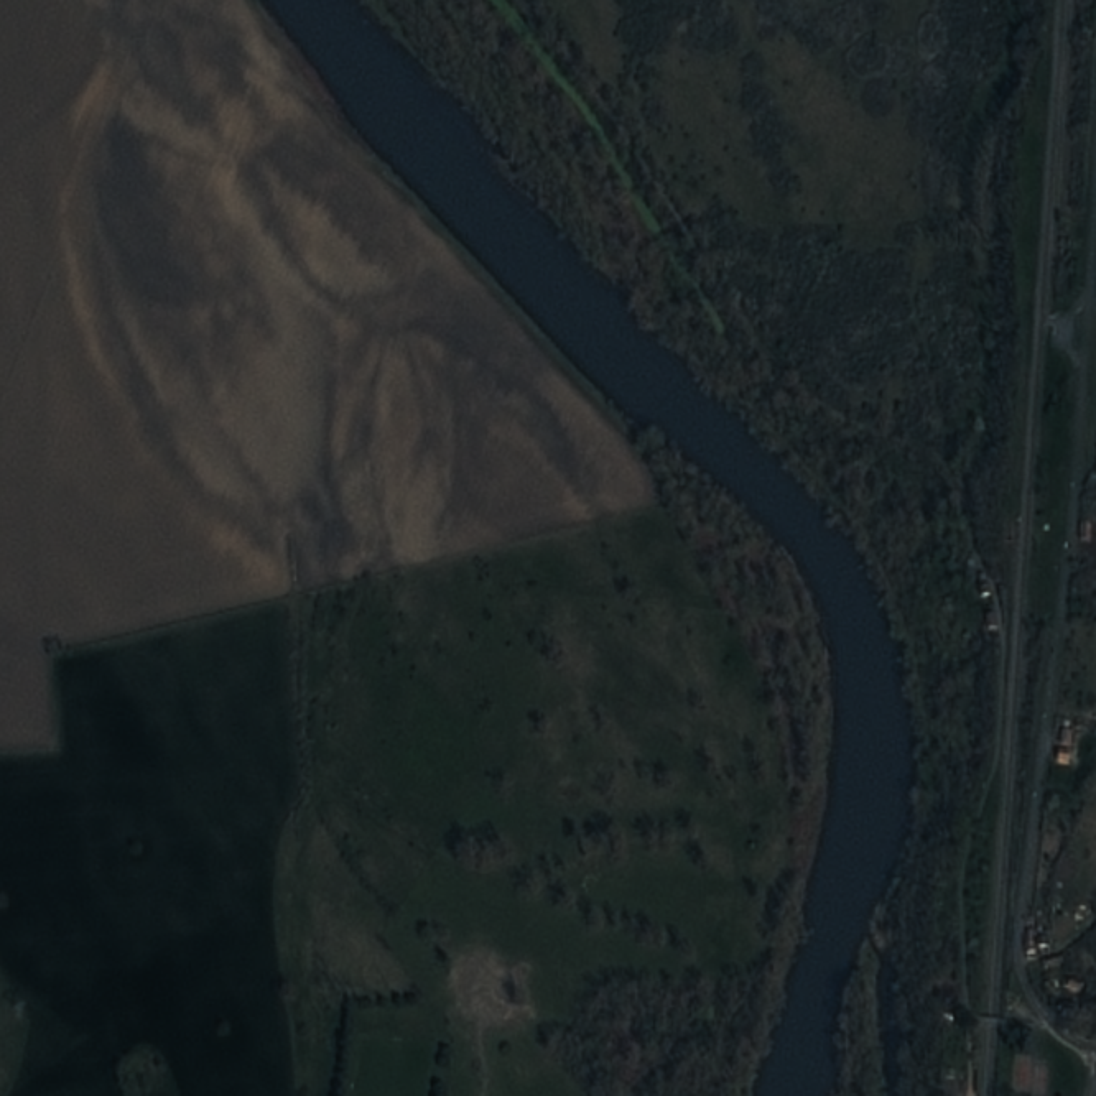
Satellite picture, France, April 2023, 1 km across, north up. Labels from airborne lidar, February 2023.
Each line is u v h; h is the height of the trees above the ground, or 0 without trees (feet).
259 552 0
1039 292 0
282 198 0
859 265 19
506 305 0
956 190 0
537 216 0
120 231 0
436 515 0
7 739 0
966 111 18
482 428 0
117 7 0
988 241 111
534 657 0
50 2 0
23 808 0
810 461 51
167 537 0
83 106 0
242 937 0
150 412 0
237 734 0
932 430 28
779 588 94
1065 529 0
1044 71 0
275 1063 0
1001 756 0
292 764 0
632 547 0
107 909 0
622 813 0
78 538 0
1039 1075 0
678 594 0
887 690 0
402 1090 0
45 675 0
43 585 0
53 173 0
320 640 0
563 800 0
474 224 0
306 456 0
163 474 0
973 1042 19
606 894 0
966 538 47
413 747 0
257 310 0
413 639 0
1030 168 0
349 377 0
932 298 19
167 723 0
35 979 0
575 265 0
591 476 0
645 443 69
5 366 0
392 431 0
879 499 50
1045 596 0
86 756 0
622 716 0
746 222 0
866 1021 102
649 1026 82
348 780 0
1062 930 0
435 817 0
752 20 0
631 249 88
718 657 0
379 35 0
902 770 0
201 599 0
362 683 0
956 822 46
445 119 0
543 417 0
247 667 0
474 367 0
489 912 0
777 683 39
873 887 0
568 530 0
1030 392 0
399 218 0
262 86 0
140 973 0
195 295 0
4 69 0
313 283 0
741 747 0
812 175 0
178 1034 0
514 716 0
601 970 0
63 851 0
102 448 0
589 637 0
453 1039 0
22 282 0
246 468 0
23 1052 0
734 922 0
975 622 0
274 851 0
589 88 102
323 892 0
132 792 0
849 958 0
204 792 0
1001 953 0
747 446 0
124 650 0
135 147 0
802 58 0
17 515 0
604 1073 55
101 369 0
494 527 0
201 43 0
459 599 0
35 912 0
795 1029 0
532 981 0
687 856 0
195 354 0
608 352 0
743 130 0
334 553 0
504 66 68
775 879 0
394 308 0
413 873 0
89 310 0
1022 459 0
